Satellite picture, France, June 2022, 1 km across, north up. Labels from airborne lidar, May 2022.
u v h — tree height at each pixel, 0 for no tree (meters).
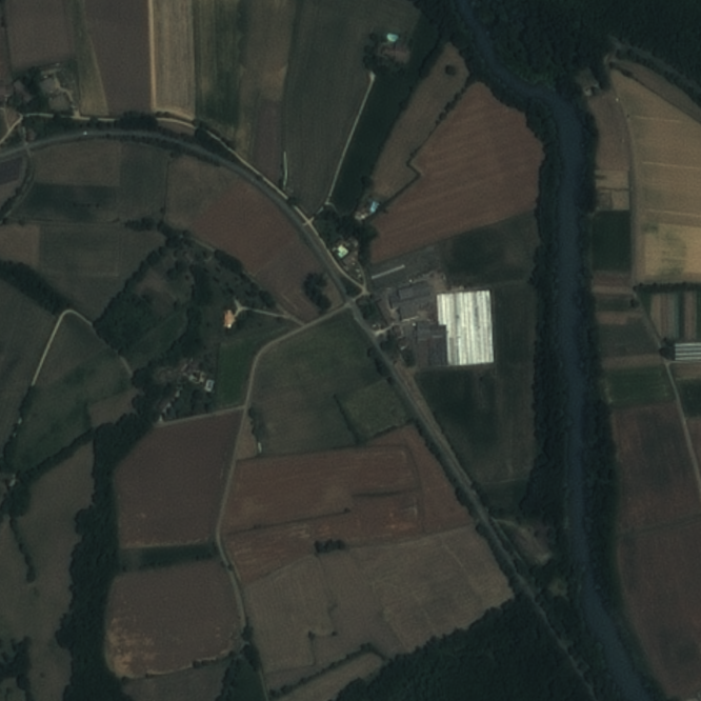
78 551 12
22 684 16
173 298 0
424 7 27
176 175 0
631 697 0
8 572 0
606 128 0
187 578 0
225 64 0
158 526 0
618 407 0
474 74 13
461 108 0
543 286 18
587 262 0
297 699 0
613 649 0
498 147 0
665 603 0
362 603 0
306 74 0
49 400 0
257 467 0
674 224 0
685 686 0
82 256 0
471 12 0
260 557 0
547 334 25
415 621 0
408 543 0
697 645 0
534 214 0
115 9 0
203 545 0
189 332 10
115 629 0
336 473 0
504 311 0
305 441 0
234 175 0
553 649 17
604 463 23
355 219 6
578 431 0
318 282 24
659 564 0
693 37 7
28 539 0
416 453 0
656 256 0
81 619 12
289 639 0
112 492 11
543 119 24
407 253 0
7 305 0
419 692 11
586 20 21
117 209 0
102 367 0
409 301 0
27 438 0
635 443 0
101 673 19
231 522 0
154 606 0
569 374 0
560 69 6
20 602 0
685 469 0
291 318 0
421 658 15
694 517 0
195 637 0
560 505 24
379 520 0
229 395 0
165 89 0
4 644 12
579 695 18
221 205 0
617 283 0
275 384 0
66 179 0
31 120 7
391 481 0
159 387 10
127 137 9
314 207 0
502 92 19
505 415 0
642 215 0
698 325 0
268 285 0
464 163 0
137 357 0
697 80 10
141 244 0
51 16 0
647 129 0
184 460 0
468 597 0
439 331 0
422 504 0
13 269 15
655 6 18
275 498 0
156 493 0
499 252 0
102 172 0
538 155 0
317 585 0
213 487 0
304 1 0
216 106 0
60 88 0
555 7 18
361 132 0
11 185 0
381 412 0
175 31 0
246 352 0
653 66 12
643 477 0
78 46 0
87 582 15
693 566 0
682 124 0
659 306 0
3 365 0
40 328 0
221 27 0
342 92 0
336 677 0
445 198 0
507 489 0
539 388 14
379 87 0
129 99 0
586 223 16
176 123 0
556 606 15
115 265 0
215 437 0
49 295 12
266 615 0
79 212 0
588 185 36
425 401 0
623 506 0
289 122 0
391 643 0
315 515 0
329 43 0
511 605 16
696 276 0
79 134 0
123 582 0
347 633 0
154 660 0
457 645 16
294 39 0
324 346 0
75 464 0
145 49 0
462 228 0
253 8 0
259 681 0
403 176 0
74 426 0
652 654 0
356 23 0
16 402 0
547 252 8
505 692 14
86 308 0
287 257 0
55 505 0
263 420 0
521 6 20
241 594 0
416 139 0
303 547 0
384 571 0
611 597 25
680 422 0
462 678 19
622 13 20
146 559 0
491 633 7
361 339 0
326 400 0
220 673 0
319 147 0
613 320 0
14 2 0
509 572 14
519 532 0
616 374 0
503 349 0
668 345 15
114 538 16
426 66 14
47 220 0
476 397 0
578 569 18
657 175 0
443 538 0
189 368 0
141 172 0
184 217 0
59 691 0
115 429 17
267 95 0
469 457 0
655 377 0
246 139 0
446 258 0
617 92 0
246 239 0
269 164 0
